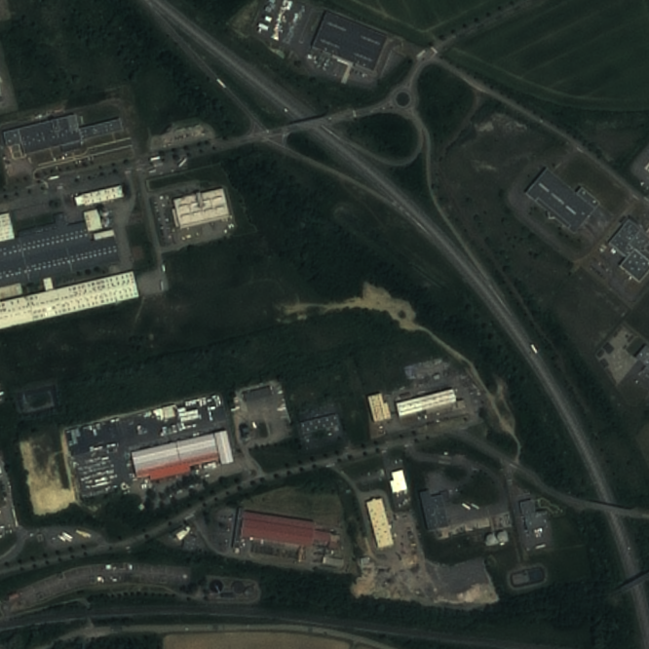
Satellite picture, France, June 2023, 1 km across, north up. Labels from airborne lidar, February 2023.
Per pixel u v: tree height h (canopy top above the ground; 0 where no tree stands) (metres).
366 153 0
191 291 0
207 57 0
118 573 0
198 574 0
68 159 0
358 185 0
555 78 0
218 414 0
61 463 0
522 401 11
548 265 0
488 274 0
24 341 0
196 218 0
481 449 0
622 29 0
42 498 0
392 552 0
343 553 0
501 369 6
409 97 0
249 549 0
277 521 0
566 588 9
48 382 0
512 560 0
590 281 0
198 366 6
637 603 0
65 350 0
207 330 0
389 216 0
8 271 0
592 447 0
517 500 0
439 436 0
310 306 0
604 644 7
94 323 0
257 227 0
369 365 0
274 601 13
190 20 0
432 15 0
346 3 0
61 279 0
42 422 5
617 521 0
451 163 0
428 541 0
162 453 0
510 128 0
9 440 0
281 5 0
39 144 0
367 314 7
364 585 0
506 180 0
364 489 0
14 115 0
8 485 0
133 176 0
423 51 0
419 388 0
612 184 0
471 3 0
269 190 9
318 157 7
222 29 0
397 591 0
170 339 0
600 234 0
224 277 0
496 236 0
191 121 0
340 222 0
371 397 0
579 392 0
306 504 0
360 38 0
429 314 9
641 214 0
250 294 0
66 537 0
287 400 0
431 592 0
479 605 0
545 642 0
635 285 0
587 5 0
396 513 0
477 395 0
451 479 0
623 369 0
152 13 0
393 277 6
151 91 0
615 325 0
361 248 11
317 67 0
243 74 0
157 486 0
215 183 0
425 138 0
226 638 0
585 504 0
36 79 0
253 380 9
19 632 7
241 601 0
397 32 0
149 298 0
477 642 0
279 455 0
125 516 7
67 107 0
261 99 0
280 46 0
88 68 0
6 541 0
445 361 0
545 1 0
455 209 0
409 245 0
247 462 0
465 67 0
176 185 0
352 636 0
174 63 8
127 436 0
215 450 0
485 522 0
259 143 0
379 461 0
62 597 0
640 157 0
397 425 0
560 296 0
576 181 0
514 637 0
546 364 0
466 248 0
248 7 0
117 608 0
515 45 0
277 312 0
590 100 0
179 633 0
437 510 0
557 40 0
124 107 0
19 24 9
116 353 0
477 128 0
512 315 0
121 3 12
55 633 14
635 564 0
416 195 0
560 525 0
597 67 0
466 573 0
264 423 0
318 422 0
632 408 0
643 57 0
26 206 0
